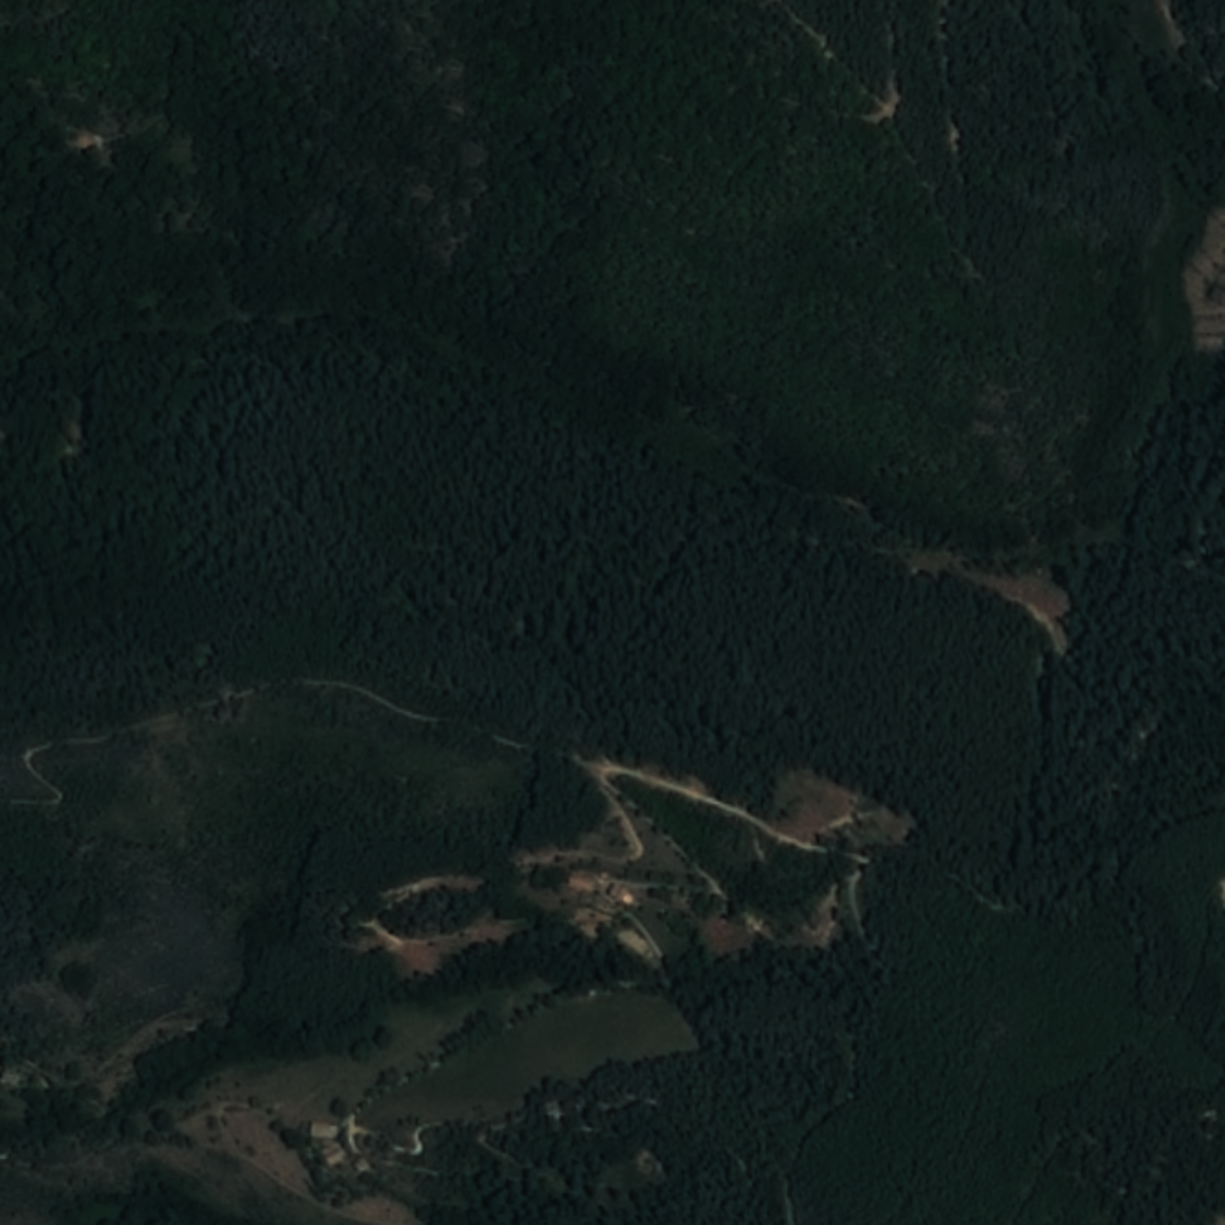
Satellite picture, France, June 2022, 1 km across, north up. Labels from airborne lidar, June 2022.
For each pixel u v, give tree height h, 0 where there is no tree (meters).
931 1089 8
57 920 15
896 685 23
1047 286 16
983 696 19
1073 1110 15
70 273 25
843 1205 10
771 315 15
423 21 13
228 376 11
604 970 21
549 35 18
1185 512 17
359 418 23
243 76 12
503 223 22
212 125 26
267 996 18
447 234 9
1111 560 19
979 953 7
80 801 7
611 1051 0
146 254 25
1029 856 34
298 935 24
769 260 14
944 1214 10
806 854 6
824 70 14
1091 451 17
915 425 10
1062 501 11
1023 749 28
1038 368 17
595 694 26
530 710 24
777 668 28
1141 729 25
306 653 8
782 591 24
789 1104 20
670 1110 13
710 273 12
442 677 18
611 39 21
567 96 11
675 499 26
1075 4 26
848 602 27
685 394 16
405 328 6
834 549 25
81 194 21
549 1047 0
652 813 14
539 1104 13
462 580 26
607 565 19
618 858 0
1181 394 17
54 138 10
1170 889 14
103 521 24
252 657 9
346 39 12
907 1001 10
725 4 14
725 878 8
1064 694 30
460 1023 0
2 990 16
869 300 8
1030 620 13
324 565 20
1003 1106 9
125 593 23
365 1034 22
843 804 0
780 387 12
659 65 14
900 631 22
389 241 15
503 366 7
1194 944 19
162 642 20
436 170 8
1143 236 21
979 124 25
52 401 17
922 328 9
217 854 6
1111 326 16
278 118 13
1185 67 10
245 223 17
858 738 28
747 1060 18
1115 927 6
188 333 18
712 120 12
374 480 21
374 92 15
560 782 30
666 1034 0
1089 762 27
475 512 21
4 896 21
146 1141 12
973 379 12
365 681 8
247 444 19
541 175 15
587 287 17
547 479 23
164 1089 12
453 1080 0
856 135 14
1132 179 19
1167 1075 22
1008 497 10
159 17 18
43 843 11
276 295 19
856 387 8
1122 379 13
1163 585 24
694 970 20
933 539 31
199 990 9
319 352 12
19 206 28
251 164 21
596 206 7
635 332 14
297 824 10
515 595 21
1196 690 6
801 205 10
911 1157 7
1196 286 0
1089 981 8
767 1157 17
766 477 6
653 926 0
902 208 12
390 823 10
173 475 18
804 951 17
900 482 10
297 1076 0
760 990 27
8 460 8
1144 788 13
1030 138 26
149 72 12
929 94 21
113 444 20
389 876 36
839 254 13
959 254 12
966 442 9
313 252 24
